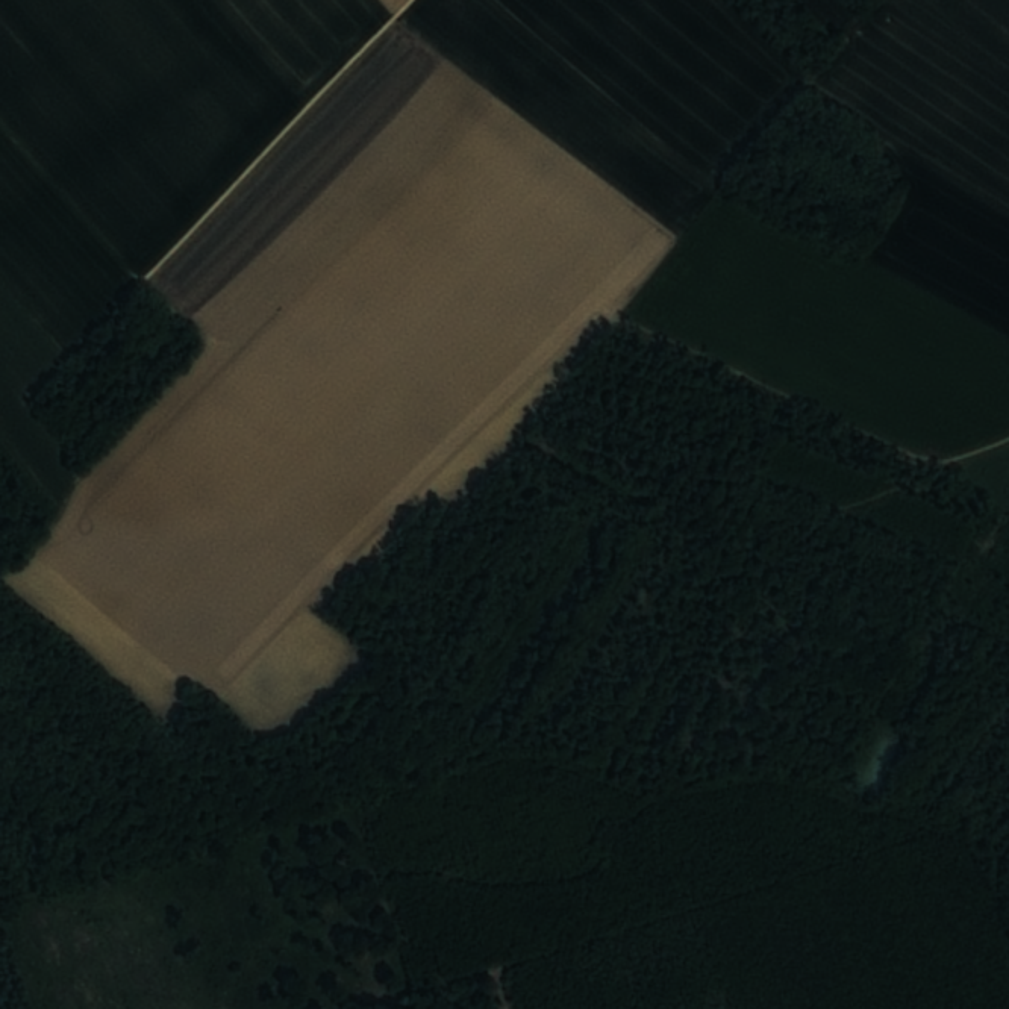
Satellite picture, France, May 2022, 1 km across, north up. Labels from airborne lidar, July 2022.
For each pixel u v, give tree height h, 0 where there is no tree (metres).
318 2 0
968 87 0
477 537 30
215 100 0
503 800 8
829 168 29
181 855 28
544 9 0
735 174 27
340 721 12
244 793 23
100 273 0
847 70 0
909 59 0
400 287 0
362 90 0
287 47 0
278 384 0
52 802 27
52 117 0
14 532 29
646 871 11
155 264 0
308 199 0
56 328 0
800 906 11
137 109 0
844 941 11
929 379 0
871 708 15
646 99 0
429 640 12
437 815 7
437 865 7
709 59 0
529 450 25
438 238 0
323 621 21
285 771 24
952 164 0
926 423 0
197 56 0
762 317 0
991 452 0
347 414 0
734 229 0
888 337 0
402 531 17
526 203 0
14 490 27
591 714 20
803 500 19
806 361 0
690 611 12
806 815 8
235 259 0
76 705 24
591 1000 11
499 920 11
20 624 20
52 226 0
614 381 12
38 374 0
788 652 29
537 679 29
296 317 0
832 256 19
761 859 10
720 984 11
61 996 0
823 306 0
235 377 0
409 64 0
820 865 10
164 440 0
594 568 14
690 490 24
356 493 0
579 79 0
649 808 7
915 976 11
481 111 0
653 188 0
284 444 0
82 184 0
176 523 0
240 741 21
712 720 29
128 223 0
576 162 0
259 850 0
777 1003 10
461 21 0
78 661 16
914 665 16
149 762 26
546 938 12
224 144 0
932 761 20
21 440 0
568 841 7
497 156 0
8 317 0
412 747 25
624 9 0
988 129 0
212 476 0
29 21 0
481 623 28
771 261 0
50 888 26
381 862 7
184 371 15
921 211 0
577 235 0
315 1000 0
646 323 0
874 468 28
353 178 0
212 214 0
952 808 23
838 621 31
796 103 23
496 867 6
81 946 0
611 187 0
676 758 17
